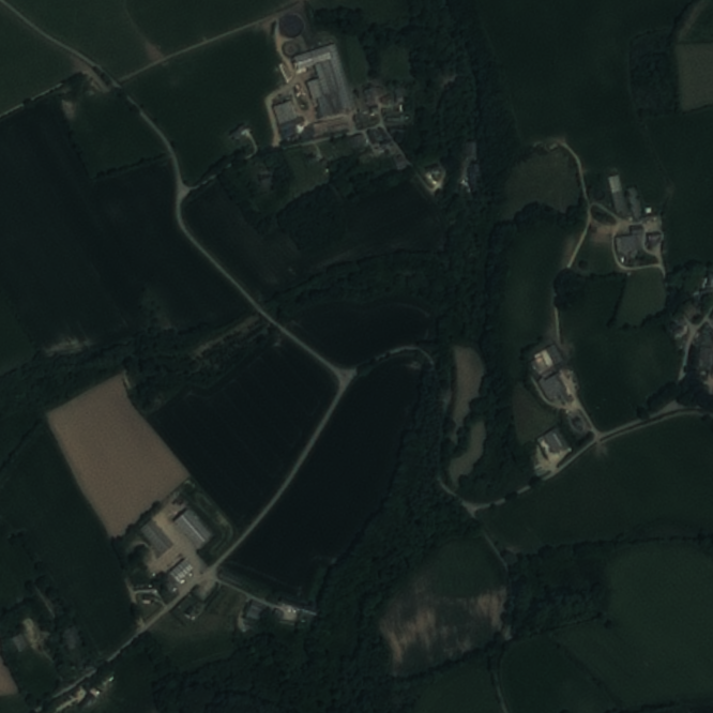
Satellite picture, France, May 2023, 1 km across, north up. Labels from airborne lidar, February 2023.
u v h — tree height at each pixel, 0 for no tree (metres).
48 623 7
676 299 19
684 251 0
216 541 0
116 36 0
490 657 11
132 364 23
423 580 0
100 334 0
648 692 0
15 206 0
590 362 0
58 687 8
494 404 7
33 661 0
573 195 0
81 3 0
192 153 0
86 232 0
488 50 11
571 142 0
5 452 0
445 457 16
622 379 0
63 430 0
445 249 11
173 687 16
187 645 0
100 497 0
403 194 0
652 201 0
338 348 0
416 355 12
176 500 0
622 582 0
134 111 10
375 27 13
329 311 0
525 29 0
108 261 0
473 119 9
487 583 0
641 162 0
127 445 0
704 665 0
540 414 0
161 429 0
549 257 0
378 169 0
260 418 0
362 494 0
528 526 0
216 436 0
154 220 0
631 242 0
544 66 0
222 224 0
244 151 14
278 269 0
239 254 0
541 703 0
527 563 15
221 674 8
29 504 0
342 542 0
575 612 6
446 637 0
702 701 0
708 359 0
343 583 27
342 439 0
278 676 10
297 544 0
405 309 0
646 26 0
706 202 0
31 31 0
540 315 0
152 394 14
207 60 0
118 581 0
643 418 14
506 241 15
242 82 0
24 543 11
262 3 0
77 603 0
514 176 0
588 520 0
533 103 0
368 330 0
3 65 0
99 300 0
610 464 0
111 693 0
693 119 0
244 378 0
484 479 12
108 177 9
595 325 0
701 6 0
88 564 0
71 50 0
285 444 0
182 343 21
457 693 0
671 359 0
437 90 10
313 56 0
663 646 0
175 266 0
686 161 0
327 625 21
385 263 14
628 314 0
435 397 29
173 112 0
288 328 0
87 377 9
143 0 0
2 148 0
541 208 18
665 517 0
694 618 0
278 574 0
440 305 16
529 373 0
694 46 0
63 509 0
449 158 21
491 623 0
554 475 0
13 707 0
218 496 0
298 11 0
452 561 0
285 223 14
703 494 0
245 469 0
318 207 19
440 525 22
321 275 12
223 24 0
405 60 0
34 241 0
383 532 24
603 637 0
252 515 0
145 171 0
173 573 0
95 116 0
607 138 0
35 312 0
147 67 0
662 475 0
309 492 0
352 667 9
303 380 0
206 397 0
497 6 0
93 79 0
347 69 0
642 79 8
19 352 0
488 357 19
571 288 19
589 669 0
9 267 0
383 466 0
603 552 13
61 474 0
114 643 0
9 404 6
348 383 0
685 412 0
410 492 22
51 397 7
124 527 0
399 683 16
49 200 0
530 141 0
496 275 20
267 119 0
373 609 12
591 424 0
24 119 0
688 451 0
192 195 10
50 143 0
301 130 0
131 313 0
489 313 18
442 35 8
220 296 0
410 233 0
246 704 27
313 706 0
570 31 0
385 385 0
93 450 0
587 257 0
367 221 0
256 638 9
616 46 0
